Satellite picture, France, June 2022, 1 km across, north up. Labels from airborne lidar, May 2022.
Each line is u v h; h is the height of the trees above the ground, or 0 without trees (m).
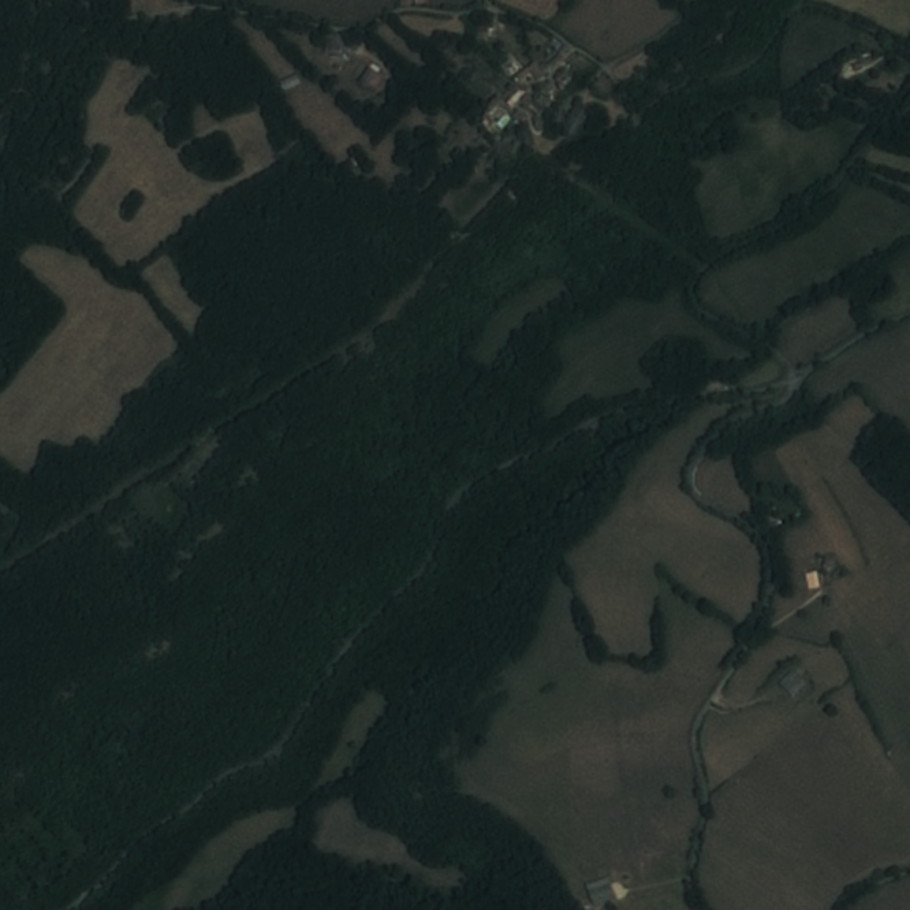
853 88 24
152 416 12
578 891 0
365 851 0
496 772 0
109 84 0
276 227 15
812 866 0
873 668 0
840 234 0
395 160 12
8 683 18
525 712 0
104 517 11
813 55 0
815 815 0
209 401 15
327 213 13
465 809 21
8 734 14
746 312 0
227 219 15
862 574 0
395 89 12
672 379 23
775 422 14
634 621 0
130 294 0
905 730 0
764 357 10
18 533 12
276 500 14
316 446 12
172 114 11
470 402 19
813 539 0
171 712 14
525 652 14
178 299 0
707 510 6
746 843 0
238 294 13
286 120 10
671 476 0
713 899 0
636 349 0
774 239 14
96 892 10
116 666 11
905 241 11
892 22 0
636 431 35
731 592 0
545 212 15
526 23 9
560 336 8
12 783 8
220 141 11
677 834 0
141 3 0
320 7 0
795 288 0
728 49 14
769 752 0
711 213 0
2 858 6
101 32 17
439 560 17
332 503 19
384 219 15
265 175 14
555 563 18
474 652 22
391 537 18
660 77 11
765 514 14
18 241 17
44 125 16
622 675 0
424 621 17
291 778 15
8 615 15
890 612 0
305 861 20
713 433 13
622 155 18
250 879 20
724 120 18
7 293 15
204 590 14
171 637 8
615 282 16
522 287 7
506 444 12
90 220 0
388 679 20
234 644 13
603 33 0
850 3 0
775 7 6
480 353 0
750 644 17
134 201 9
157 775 19
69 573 14
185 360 9
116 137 0
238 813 17
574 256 10
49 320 12
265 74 15
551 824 0
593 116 14
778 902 0
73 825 17
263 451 11
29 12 12
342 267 13
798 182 0
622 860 0
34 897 11
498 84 0
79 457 11
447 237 10
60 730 15
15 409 0
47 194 13
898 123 16
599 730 0
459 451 9
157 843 19
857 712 0
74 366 0
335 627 7
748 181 0
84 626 10
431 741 15
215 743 16
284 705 12
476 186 0
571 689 0
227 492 8
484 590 27
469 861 6
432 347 10
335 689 18
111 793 15
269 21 12
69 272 0
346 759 0
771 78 7
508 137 5
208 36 12
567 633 0
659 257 17
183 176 0
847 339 0
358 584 14
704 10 12
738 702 0
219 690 18
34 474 13
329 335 13
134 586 7
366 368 10
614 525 0
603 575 0
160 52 13
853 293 16
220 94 18
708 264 19
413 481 17
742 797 0
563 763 0
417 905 19
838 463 0
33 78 7
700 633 0
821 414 15
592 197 11
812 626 0
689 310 7
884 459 13
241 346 11
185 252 12
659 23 0
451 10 12
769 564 15
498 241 12
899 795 0
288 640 16
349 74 0
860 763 0
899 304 0
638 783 0
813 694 0
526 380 9
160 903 0
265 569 15
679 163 11
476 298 12
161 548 9
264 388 16
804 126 19
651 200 18
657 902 0
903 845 0
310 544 18
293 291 18
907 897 0
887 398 0
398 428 9
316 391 13
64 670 11
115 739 9
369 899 30
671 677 0
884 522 0
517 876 12
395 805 11
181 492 13
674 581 6
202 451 0
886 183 7
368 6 0
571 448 18
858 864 0
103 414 0
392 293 12
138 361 0
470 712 10
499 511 22
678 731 0
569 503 25
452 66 6
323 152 10
